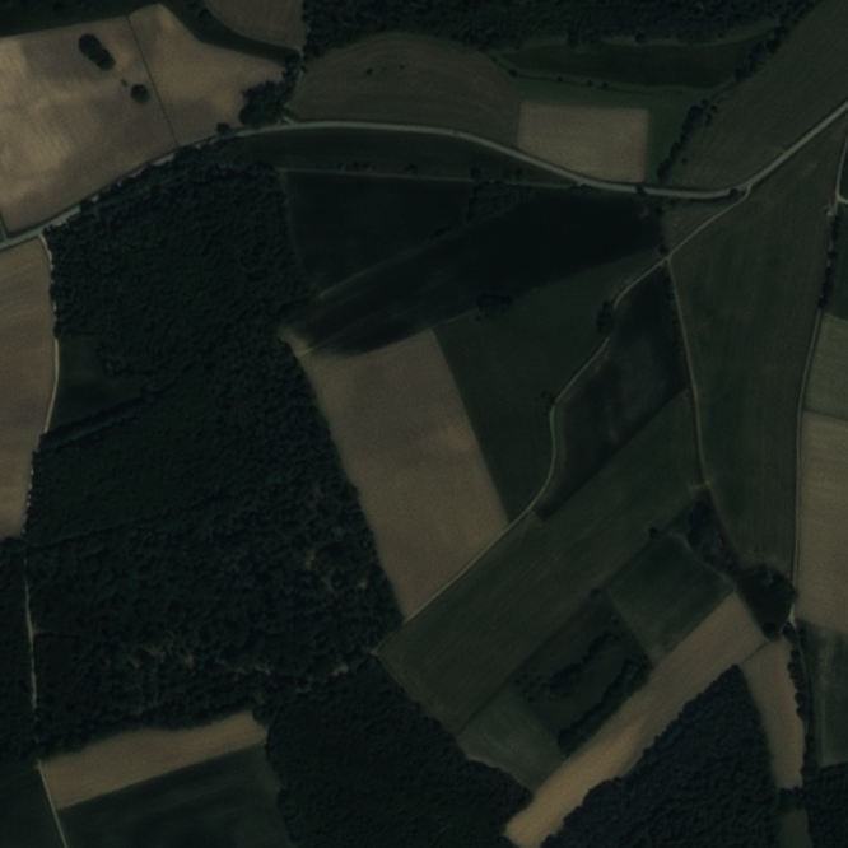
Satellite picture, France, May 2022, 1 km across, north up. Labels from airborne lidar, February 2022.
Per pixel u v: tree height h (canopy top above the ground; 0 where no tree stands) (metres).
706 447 0
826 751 0
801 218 0
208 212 22
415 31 11
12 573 12
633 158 0
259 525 30
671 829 25
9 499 0
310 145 0
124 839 0
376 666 10
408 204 0
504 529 0
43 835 0
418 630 0
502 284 0
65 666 9
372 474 0
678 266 0
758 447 0
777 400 0
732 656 0
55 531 16
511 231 0
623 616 0
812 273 0
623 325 0
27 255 0
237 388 16
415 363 0
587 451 0
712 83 0
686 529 0
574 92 0
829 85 0
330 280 0
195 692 17
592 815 19
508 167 0
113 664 31
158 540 21
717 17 18
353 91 0
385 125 0
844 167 0
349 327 0
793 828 0
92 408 0
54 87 0
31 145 0
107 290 23
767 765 21
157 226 22
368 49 0
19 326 0
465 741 0
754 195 0
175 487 14
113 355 15
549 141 0
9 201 0
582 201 0
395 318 0
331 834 13
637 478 0
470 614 0
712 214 0
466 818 11
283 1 0
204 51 0
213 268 22
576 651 0
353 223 0
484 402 0
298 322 0
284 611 30
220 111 0
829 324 0
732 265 0
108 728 21
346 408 0
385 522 0
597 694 0
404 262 0
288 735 14
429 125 0
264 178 18
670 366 0
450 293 0
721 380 0
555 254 0
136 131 0
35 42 0
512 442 0
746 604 0
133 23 0
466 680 0
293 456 27
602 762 0
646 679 16
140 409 16
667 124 0
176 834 0
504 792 15
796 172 0
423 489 0
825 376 0
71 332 14
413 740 16
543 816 0
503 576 0
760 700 0
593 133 0
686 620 0
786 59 0
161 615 25
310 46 8
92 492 15
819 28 0
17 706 12
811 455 0
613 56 0
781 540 0
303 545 33
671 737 9
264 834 0
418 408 0
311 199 0
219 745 0
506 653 0
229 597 31
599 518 0
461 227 0
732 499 0
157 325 20
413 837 13
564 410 0
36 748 25
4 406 0
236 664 24
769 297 0
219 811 0
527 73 0
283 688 28
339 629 28
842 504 0
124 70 0
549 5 16
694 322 0
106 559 26
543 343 0
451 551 0
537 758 0
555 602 0
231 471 16
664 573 0
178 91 0
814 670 0
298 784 10
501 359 0
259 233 22
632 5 11
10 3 11
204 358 23
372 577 29
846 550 0
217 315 22
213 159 16
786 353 0
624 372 0
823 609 0
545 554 0
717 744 20
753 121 0
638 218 0
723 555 18
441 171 0
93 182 0
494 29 10
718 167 0
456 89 0
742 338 0
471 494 0
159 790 0
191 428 15
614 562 0
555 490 0
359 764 18
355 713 15
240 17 0
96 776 0
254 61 0
